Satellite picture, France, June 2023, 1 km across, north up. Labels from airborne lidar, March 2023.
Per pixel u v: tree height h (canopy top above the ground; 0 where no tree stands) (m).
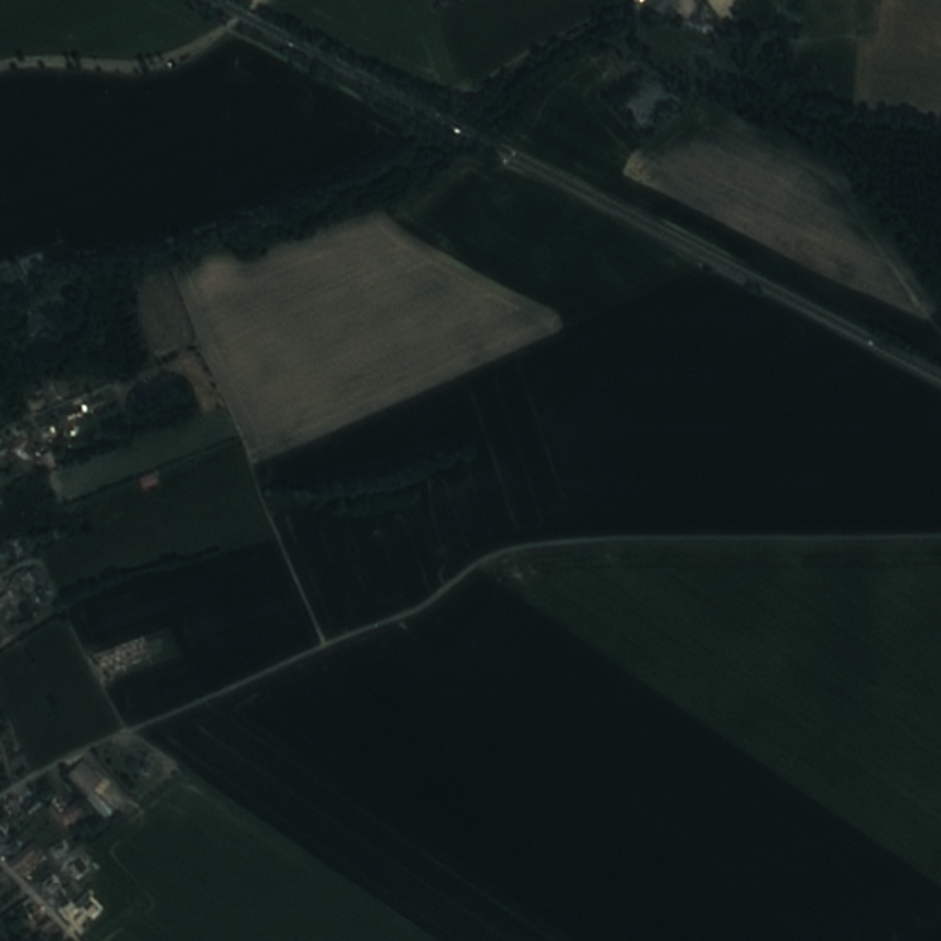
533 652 0
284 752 0
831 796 0
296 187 0
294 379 0
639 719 0
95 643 0
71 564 0
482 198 0
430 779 0
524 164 0
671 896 0
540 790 0
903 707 0
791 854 0
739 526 0
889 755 0
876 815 0
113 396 0
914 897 0
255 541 0
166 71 0
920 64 0
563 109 0
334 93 0
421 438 0
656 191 0
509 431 0
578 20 0
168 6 0
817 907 0
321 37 11
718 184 0
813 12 0
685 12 0
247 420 0
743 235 0
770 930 0
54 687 0
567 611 0
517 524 0
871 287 0
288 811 0
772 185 0
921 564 0
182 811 0
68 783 10
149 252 22
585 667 0
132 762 8
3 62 0
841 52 0
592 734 0
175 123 0
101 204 0
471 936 0
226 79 0
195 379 0
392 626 0
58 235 0
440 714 0
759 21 0
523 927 0
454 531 0
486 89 13
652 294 0
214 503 0
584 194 0
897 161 18
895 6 0
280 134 0
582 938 0
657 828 0
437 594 0
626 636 0
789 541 0
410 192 10
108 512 0
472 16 0
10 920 9
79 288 23
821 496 0
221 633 0
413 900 0
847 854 0
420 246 0
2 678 0
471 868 0
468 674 0
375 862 0
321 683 0
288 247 0
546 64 13
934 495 0
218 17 8
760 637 0
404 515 0
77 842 7
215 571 0
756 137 0
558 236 0
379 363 0
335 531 0
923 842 0
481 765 0
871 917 0
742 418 0
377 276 0
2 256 0
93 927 0
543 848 0
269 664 0
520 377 0
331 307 0
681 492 0
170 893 0
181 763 0
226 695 0
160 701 0
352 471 0
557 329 0
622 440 0
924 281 14
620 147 0
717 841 0
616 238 0
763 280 0
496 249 0
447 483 0
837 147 31
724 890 0
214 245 10
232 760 0
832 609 0
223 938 0
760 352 0
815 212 0
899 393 0
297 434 0
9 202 0
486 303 0
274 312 0
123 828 0
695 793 0
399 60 0
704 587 0
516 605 0
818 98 17
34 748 0
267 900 0
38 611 15
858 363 0
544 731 0
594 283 0
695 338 0
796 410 0
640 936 0
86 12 0
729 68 0
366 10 0
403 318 0
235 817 0
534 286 0
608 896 0
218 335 0
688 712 0
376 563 0
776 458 0
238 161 0
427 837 0
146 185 0
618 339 0
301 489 6
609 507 0
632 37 24
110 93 0
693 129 0
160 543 0
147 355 14
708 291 0
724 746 0
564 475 0
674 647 0
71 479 0
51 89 0
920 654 0
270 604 0
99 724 0
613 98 13
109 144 0
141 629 0
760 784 0
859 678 0
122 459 0
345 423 0
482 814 0
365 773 0
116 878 0
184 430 0
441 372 0
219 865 0
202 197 0
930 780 0
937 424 0
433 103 14
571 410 0
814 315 0
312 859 0
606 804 0
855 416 0
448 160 17
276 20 7
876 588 0
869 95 0
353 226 0
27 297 19
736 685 0
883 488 0
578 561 0
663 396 0
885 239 0
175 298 0
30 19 0
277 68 0
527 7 0
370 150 0
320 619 0
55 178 0
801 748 0
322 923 0
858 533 0
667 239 0
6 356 24
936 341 0
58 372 16
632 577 0
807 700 0
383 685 0
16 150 0
